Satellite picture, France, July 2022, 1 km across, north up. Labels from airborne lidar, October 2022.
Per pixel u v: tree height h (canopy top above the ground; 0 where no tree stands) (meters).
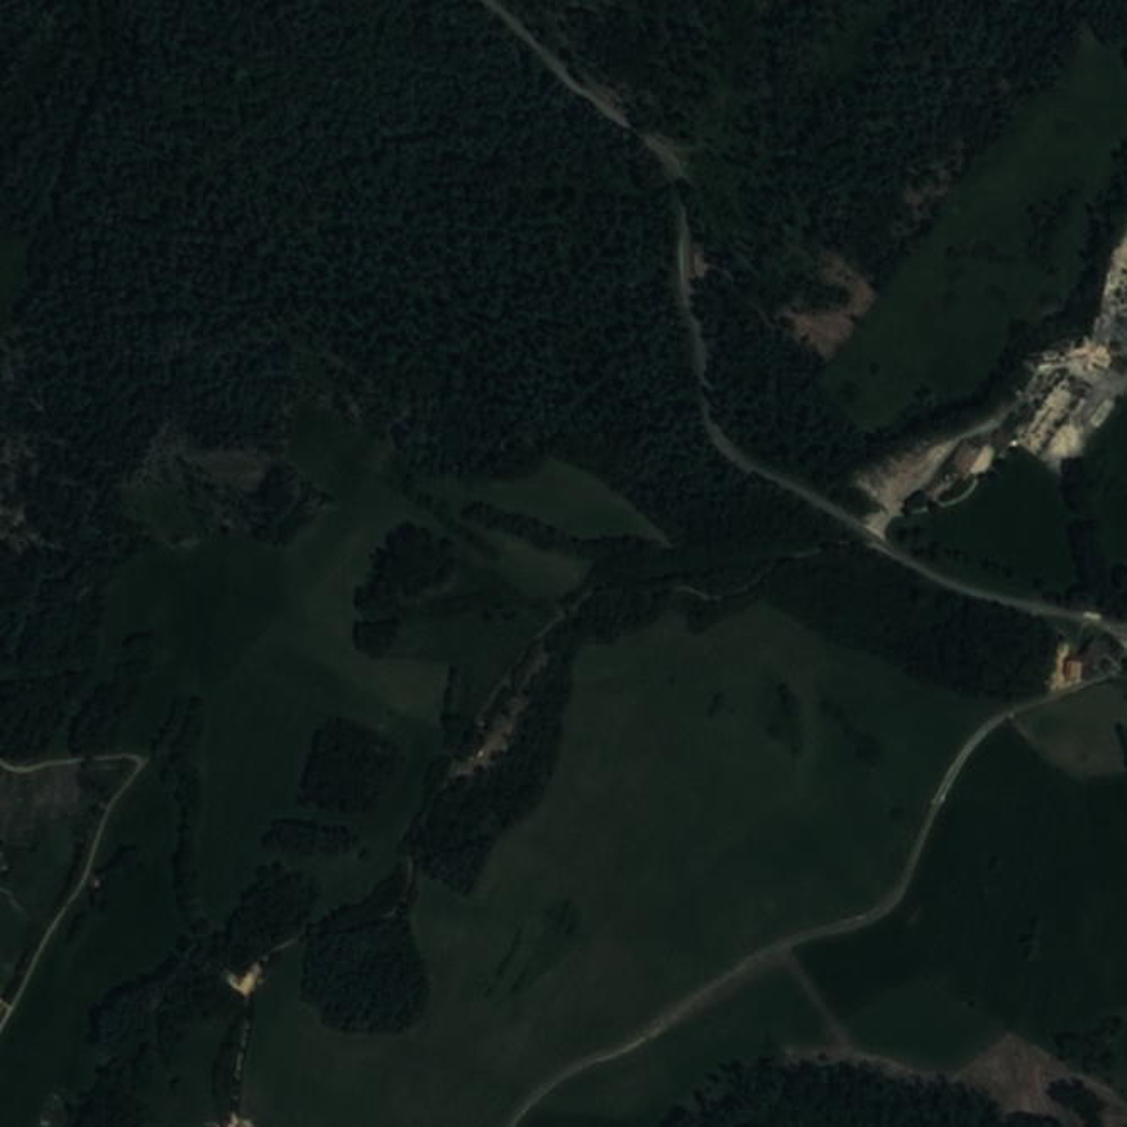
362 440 0
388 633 14
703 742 0
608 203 18
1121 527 0
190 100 22
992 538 0
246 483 0
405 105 22
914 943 0
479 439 13
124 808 0
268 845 13
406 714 0
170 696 0
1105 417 0
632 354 26
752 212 6
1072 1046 22
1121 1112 0
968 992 0
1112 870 0
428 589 20
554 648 11
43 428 16
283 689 0
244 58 24
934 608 9
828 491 7
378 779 9
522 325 34
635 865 0
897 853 0
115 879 13
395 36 18
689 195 35
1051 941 0
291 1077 0
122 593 0
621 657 0
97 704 10
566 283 33
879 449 25
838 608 8
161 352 32
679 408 14
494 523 14
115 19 30
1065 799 0
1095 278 16
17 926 0
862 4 24
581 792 0
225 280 27
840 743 0
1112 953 0
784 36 25
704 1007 0
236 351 36
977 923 0
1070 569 0
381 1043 0
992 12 25
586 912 0
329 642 0
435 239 34
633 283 33
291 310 24
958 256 8
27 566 24
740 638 0
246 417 25
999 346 0
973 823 0
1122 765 0
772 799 0
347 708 0
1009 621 26
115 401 25
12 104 7
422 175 18
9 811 0
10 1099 0
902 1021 0
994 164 0
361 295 7
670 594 13
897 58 23
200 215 25
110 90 10
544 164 32
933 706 0
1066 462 0
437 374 15
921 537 16
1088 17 30
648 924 0
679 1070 0
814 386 25
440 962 0
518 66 29
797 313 13
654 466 21
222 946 13
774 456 15
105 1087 8
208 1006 15
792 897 0
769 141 14
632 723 0
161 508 0
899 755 0
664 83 26
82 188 25
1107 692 0
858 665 0
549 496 0
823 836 0
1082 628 0
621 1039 0
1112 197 9
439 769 6
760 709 0
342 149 19
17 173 26
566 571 0
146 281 27
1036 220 14
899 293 0
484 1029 0
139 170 29
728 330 22
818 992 0
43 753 8
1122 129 0
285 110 20
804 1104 24
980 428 0
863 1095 25
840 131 19
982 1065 0
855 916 0
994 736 0
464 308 7
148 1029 6
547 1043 0
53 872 0
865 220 13
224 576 0
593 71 28
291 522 17
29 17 17
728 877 0
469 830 12
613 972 0
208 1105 0
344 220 36
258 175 28
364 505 0
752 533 8
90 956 0
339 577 0
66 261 6
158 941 0
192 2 25
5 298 0
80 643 12
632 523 0
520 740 6
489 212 27
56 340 29
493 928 0
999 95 25
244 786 0
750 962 0
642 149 41
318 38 22
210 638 0
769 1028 0
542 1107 0
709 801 0
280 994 0
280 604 0
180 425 27
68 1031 0
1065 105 0
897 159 21
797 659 0
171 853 0
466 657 0
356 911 8
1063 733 0
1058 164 0
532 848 0
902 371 0
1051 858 0
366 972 10
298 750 0
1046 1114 0
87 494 13
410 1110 0
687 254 0
